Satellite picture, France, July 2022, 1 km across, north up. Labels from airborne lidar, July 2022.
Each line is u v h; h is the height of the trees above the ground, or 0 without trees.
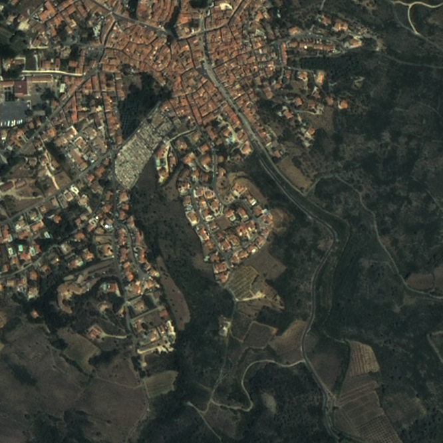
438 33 0
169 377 0
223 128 6
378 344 0
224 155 12
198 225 0
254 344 0
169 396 6
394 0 0
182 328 0
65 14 0
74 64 0
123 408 0
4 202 7
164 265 0
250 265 0
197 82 0
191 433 7
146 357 0
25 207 0
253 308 0
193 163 0
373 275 0
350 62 12
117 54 0
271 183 6
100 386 0
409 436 12
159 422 8
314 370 0
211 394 0
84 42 11
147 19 0
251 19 6
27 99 0
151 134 0
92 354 0
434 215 0
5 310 0
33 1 0
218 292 0
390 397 0
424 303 0
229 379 0
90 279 12
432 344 0
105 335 0
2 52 14
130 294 0
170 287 0
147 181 0
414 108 0
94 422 0
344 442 20
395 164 0
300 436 8
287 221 0
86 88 0
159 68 0
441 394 0
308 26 6
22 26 0
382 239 0
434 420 12
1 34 0
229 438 7
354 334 0
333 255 8
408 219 0
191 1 7
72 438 7
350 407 0
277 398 6
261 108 8
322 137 6
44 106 7
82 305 6
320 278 6
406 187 0
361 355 0
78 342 0
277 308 0
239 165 0
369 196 0
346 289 0
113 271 12
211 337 0
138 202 9
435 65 0
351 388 0
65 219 10
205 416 0
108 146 8
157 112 0
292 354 0
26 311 10
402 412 0
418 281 0
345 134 0
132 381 0
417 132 0
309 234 0
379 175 0
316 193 6
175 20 20
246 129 0
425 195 0
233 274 0
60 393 0
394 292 10
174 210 0
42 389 0
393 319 0
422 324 0
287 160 0
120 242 0
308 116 0
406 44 0
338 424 0
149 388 0
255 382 9
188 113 0
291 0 9
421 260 0
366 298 0
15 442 0
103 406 0
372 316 8
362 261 0
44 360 0
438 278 0
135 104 19
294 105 9
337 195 0
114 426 0
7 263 6
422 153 0
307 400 8
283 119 8
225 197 0
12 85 0
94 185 0
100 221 8
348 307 0
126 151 0
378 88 0
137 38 0
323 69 9
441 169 0
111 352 7
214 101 0
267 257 0
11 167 16
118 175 0
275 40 5
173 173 8
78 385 0
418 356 0
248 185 0
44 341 0
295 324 0
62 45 6
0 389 0
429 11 7
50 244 11
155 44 0
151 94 13
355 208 0
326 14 6
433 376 0
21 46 0
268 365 6
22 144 0
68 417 8
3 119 0
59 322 8
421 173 0
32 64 0
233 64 0
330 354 0
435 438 11
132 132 11
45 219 9
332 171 6
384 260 0
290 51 6
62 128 7
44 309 15
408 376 0
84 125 0
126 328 6
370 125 0
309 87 8
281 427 9
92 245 14
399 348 0
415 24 0
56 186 0
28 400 0
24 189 0
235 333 0
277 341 0
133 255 0
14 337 0
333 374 0
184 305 0
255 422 6
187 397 8
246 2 0
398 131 0
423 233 0
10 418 0
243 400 7
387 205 0
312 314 0
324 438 7
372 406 0
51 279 7
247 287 0
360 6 7
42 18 0
